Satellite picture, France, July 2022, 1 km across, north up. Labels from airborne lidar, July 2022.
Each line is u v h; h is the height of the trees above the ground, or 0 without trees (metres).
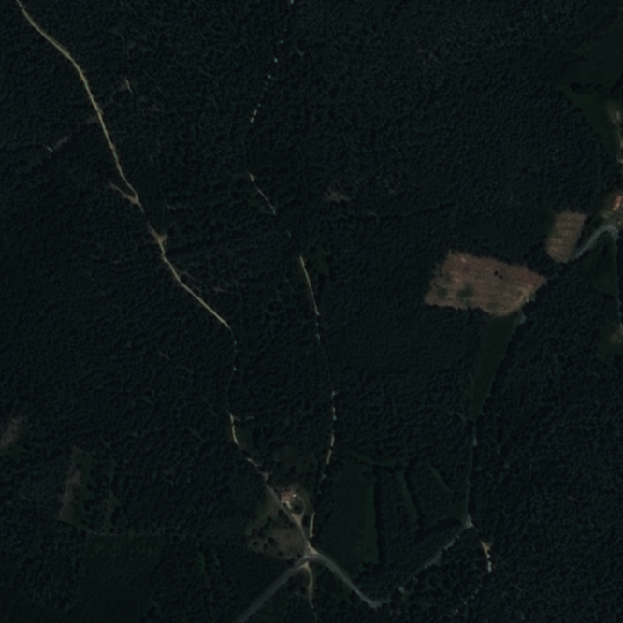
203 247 25
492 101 25
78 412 20
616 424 23
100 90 20
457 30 26
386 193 23
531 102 21
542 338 29
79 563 12
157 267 21
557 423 31
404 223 21
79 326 17
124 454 17
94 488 10
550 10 25
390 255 25
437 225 21
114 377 20
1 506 8
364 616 10
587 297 37
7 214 20
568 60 26
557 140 28
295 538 0
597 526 25
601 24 22
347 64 24
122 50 23
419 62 30
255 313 20
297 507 10
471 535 14
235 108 16
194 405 21
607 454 27
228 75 24
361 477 0
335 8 24
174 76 16
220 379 20
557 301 31
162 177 11
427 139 22
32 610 7
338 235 21
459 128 20
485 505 15
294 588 17
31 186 12
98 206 15
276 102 28
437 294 0
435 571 31
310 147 20
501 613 24
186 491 20
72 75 18
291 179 9
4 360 20
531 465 27
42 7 21
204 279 25
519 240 12
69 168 38
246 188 24
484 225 12
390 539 29
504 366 17
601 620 30
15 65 15
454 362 27
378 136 28
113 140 14
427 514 28
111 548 6
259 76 15
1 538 28
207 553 13
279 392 17
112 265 18
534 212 10
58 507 23
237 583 12
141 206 11
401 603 25
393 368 21
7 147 24
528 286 0
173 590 11
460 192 22
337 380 19
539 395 34
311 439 16
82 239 15
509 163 22
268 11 19
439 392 33
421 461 24
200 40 23
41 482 25
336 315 21
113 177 19
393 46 20
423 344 25
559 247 0
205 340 20
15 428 0
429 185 18
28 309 16
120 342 17
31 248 16
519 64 19
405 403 24
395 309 26
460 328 25
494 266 0
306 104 29
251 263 26
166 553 7
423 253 23
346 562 0
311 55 22
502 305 0
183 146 20
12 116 24
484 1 28
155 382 18
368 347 28
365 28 20
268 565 9
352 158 25
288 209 23
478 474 24
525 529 13
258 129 27
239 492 29
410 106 29
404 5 22
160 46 7
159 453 17
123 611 9
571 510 19
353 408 25
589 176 41
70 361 17
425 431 28
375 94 29
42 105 24
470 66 22
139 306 20
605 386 19
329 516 29
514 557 19
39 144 17
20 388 20
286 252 26
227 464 21
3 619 7
